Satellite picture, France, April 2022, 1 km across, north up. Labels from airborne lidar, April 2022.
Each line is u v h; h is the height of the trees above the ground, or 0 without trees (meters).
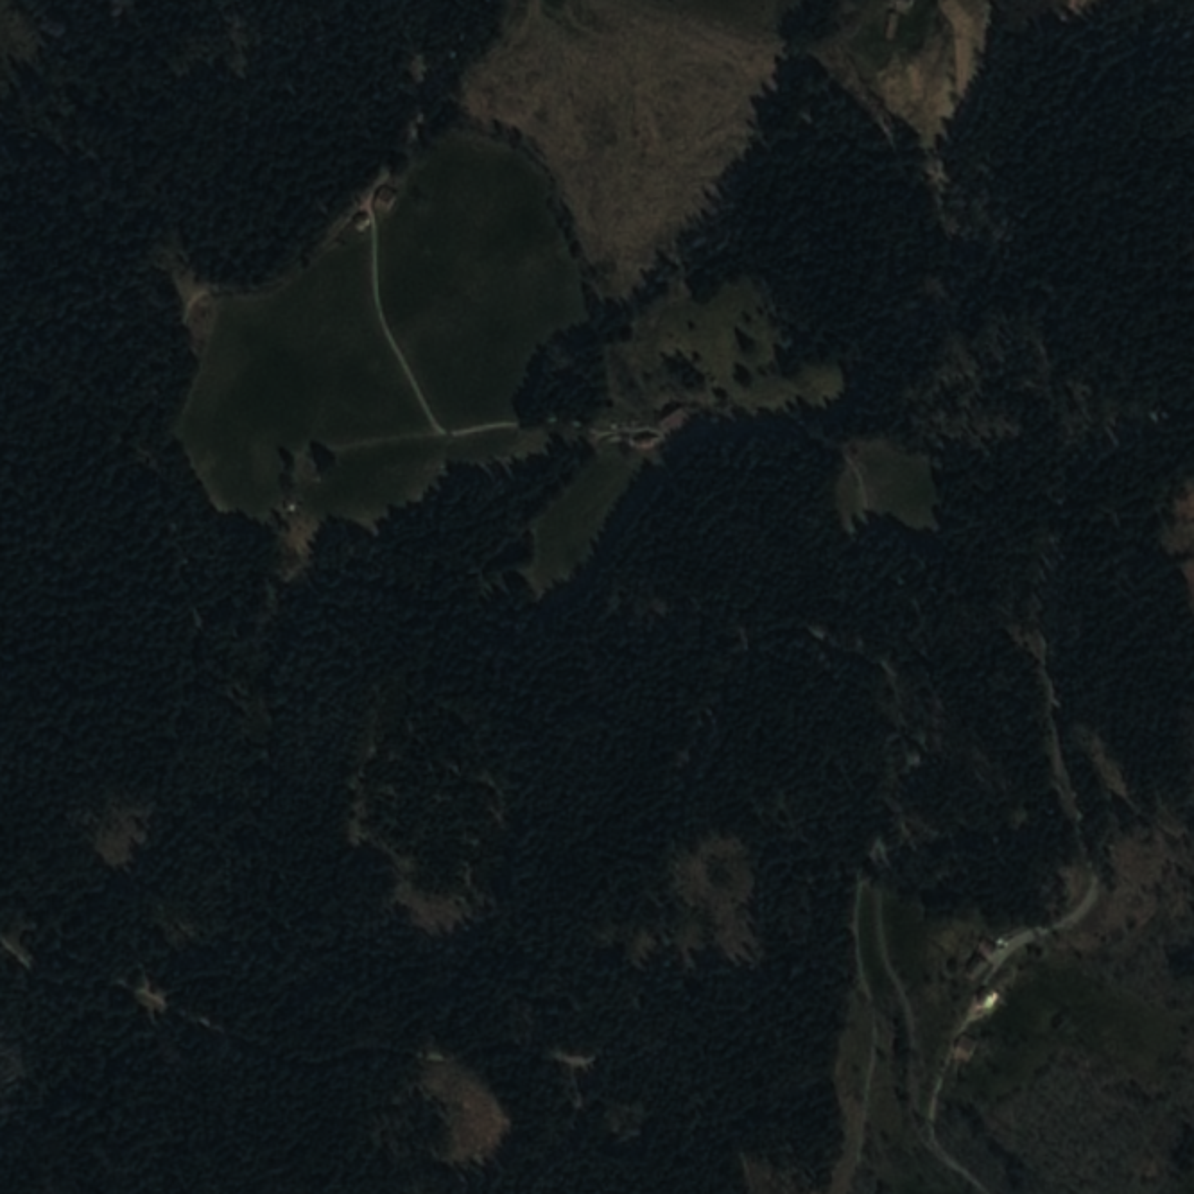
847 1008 27
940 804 27
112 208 17
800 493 28
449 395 0
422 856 9
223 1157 28
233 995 22
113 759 24
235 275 28
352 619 24
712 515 27
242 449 0
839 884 27
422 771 10
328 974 18
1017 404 22
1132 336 28
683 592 23
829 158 27
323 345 0
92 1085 18
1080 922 0
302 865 25
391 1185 24
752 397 0
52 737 31
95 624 22
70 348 29
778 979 29
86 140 14
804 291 23
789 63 0
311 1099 20
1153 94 25
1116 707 26
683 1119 24
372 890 26
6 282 21
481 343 0
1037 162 27
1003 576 31
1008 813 28
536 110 0
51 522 27
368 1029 25
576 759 31
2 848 26
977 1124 17
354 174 22
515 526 24
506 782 22
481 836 9
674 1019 24
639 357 0
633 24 0
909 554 29
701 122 0
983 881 29
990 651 27
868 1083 0
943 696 18
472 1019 24
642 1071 25
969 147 27
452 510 21
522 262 0
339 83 26
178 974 25
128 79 12
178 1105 23
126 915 27
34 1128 22
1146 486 38
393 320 0
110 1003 31
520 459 0
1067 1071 14
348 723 17
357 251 0
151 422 30
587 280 9
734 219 24
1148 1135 9
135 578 22
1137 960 7
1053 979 0
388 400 0
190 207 30
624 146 0
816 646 27
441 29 29
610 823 23
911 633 22
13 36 0
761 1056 22
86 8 8
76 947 26
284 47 27
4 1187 26
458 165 0
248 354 0
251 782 25
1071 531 25
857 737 27
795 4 0
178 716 29
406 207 0
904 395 28
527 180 0
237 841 24
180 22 27
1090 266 23
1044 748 30
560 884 23
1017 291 23
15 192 9
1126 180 21
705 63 0
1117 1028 0
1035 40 15
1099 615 35
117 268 19
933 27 0
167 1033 21
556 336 0
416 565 24
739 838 15
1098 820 32
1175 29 13
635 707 27
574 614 24
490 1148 0
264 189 28
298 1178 21
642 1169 27
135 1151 26
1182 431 30
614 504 0
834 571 24
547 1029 25
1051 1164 7
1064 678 23
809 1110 21
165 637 29
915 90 0
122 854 0
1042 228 23
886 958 0
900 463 0
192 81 8
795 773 26
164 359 17
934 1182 14
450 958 20
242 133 27
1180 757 29
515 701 30
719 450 27
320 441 0
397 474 0
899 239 26
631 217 0
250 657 16
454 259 0
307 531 0
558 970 27
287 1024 24
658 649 28
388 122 23
